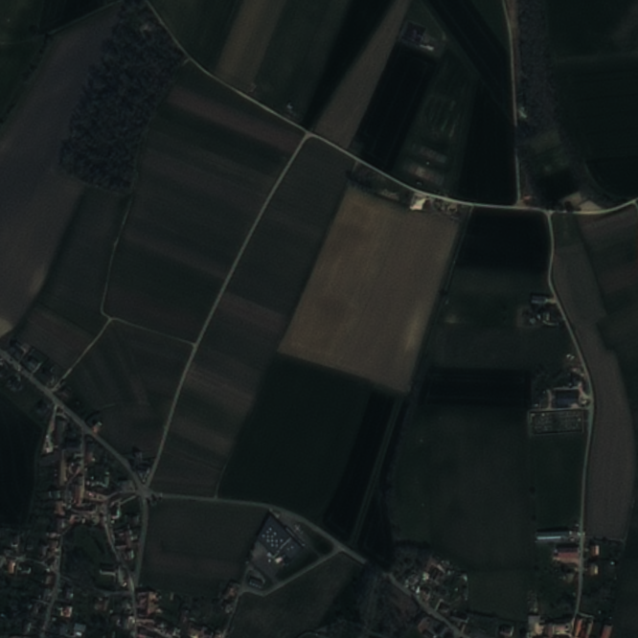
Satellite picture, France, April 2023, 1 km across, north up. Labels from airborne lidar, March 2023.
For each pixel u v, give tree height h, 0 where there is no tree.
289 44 0
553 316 7
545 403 9
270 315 0
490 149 0
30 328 0
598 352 0
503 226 0
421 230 0
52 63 0
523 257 0
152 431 0
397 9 0
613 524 0
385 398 0
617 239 0
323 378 0
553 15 0
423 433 0
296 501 0
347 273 0
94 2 0
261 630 0
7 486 0
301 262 0
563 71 0
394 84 0
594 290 0
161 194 0
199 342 0
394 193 0
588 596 9
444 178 0
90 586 13
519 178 0
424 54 0
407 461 0
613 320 0
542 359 0
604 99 0
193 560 0
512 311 0
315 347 0
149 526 0
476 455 0
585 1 0
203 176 0
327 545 0
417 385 11
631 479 0
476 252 0
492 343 0
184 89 0
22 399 0
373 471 0
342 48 0
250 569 0
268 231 0
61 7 0
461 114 0
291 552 0
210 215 0
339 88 0
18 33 0
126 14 8
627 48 0
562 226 0
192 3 0
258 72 0
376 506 0
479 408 0
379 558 0
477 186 0
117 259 0
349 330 0
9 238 0
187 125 0
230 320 0
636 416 0
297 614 0
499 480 0
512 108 0
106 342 0
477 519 0
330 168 0
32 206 0
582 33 0
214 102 0
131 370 0
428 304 0
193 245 0
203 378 0
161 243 0
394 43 0
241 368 0
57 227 0
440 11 0
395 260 0
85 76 0
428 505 0
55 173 0
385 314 0
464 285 0
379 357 0
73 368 0
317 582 0
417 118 0
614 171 0
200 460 0
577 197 0
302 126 0
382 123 0
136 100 14
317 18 0
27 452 0
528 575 0
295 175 0
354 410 0
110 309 0
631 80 0
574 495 0
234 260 0
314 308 0
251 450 0
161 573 0
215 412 0
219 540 0
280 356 0
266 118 0
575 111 0
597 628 0
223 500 0
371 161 0
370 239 0
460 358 0
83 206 0
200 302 0
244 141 0
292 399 0
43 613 12
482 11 0
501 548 0
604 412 0
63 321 0
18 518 0
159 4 0
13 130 0
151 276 0
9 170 0
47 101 0
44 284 0
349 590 0
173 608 0
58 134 0
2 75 0
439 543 0
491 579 0
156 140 0
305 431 0
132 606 0
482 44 0
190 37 0
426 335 0
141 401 0
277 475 0
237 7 0
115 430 0
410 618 13
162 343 0
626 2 0
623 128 0
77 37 0
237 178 0
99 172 12
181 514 0
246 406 0
